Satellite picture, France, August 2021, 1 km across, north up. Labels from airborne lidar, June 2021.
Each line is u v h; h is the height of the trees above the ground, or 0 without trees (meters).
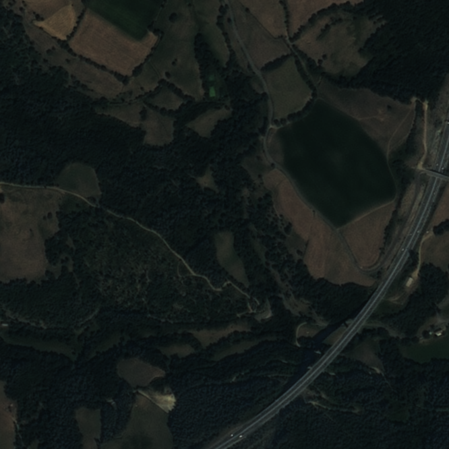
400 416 0
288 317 17
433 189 0
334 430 9
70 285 13
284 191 0
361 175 0
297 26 0
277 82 0
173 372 16
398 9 6
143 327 10
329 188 0
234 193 15
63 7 0
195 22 0
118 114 0
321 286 12
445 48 15
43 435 24
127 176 19
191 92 0
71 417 16
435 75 11
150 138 0
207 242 20
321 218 0
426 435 9
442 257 0
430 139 0
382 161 0
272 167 8
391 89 15
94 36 0
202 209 14
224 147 25
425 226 0
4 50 14
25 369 18
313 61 9
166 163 21
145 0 0
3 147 17
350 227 0
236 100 11
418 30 11
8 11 9
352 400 21
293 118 17
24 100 12
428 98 9
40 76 13
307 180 0
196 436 11
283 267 11
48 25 0
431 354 0
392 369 20
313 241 0
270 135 0
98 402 19
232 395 21
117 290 14
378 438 8
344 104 0
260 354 7
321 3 0
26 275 0
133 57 0
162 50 0
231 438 0
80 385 21
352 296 21
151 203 6
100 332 13
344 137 0
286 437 18
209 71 0
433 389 23
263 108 0
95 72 0
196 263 17
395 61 15
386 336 18
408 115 0
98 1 0
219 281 18
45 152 10
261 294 11
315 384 6
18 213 0
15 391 11
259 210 17
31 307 14
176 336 18
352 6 8
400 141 0
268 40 0
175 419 21
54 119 11
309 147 0
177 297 12
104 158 17
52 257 11
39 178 7
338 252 0
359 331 0
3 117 16
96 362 11
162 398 0
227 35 10
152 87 0
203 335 0
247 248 22
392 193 0
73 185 0
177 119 15
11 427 0
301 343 13
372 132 0
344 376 8
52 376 18
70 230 16
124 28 0
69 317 17
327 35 0
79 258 19
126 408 23
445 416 11
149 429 0
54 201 0
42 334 11
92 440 0
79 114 13
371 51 13
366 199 0
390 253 0
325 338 0
